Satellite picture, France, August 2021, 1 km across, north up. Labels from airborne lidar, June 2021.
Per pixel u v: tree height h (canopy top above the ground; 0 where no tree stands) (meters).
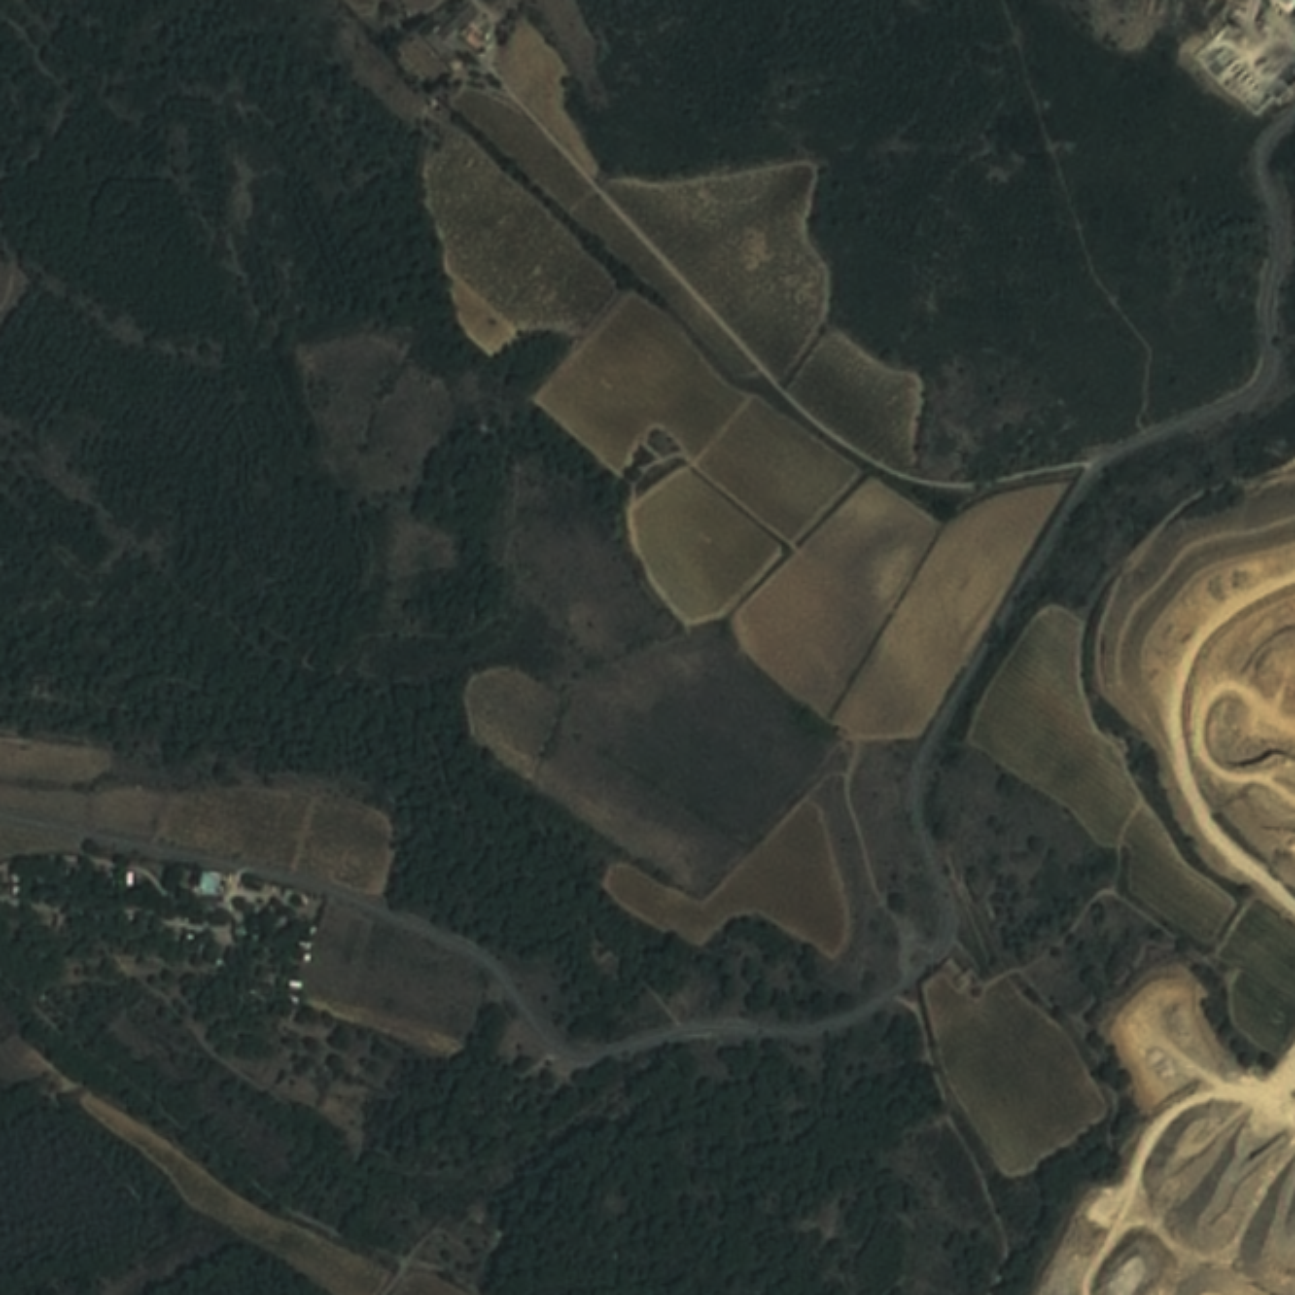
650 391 0
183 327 6
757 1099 10
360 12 0
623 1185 8
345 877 0
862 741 0
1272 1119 0
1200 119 0
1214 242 12
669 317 0
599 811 0
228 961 9
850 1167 8
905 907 7
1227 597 0
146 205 8
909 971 0
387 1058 9
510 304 0
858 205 0
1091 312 0
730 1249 10
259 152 0
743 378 0
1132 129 0
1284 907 0
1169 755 0
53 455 0
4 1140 7
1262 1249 0
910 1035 8
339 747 7
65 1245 7
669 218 0
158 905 8
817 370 0
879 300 0
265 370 7
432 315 9
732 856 0
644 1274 7
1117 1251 0
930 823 6
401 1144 8
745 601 0
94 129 9
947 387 0
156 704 9
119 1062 9
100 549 7
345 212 8
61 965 10
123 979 9
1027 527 0
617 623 0
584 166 0
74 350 8
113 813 0
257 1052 10
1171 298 0
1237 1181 0
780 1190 8
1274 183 0
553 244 0
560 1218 6
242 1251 11
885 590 0
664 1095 10
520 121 0
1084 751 0
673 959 8
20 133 6
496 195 0
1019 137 6
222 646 7
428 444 0
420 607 8
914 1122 9
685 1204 9
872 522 0
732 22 6
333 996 0
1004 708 0
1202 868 0
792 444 0
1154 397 0
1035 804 0
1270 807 0
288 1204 9
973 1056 0
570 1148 10
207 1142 8
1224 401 0
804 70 7
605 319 0
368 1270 0
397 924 0
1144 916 0
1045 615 0
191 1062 7
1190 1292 0
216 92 0
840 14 7
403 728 8
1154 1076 0
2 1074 0
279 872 0
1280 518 0
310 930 9
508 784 12
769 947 9
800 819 0
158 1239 7
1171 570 0
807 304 0
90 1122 9
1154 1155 0
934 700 0
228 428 8
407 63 0
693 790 0
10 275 0
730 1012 0
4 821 0
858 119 6
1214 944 0
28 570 7
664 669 0
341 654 8
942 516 13
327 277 7
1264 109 0
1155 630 0
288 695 8
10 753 0
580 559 0
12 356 7
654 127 0
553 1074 8
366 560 6
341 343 0
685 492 0
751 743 0
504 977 0
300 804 0
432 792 7
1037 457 7
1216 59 0
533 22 6
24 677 12
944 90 6
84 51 8
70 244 8
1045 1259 9
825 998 8
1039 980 0
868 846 0
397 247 6
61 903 9
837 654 0
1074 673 0
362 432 0
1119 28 0
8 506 8
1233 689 0
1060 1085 0
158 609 8
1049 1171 12
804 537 0
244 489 7
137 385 7
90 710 8
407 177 10
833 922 0
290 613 7
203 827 0
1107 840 0
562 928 8
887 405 0
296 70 11
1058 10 0
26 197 8
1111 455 0
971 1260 7
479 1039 8
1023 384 0
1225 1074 0
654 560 0
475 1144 9
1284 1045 0
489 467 11
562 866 9
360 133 14
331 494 10
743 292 0
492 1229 0
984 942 0
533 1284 8
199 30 12
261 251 5
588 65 0
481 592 7
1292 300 0
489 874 9
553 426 9
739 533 0
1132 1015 0
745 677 0
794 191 0
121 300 7
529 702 0
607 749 0
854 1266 8
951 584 0
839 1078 8
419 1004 0
